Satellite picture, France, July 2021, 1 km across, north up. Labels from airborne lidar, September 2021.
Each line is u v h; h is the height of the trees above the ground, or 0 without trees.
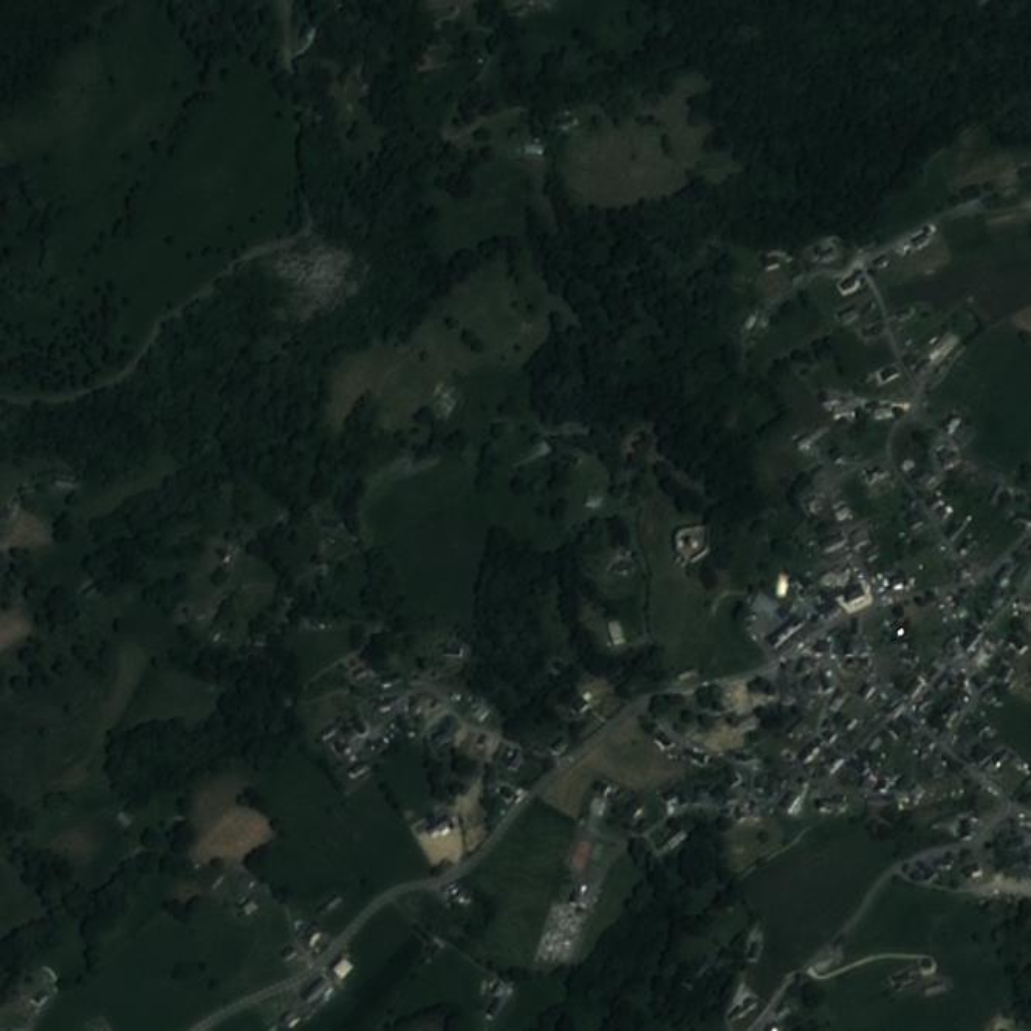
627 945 10
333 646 0
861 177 9
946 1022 0
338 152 25
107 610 0
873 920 0
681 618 0
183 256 0
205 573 0
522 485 18
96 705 0
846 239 19
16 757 0
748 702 0
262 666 14
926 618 0
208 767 10
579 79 8
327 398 21
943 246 0
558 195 13
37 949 20
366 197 16
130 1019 0
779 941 0
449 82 0
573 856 0
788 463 0
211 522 9
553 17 0
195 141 0
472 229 0
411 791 0
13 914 0
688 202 24
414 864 0
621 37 0
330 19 27
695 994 12
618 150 0
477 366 0
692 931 21
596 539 14
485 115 12
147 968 0
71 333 11
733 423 10
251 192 0
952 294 0
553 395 19
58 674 19
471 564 0
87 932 19
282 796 0
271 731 22
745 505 26
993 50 19
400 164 24
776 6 17
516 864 0
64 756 0
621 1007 18
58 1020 0
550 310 0
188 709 0
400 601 7
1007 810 0
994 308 0
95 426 22
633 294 20
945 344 0
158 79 0
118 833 0
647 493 22
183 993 0
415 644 14
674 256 11
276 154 0
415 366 0
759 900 0
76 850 0
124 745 14
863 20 16
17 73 10
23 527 0
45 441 25
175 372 23
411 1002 0
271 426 21
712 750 0
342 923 0
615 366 23
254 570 0
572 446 11
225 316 14
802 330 0
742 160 14
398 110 23
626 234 18
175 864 16
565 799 0
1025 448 0
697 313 16
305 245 10
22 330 10
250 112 0
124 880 18
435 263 13
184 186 0
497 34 8
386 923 0
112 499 0
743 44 7
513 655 20
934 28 25
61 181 0
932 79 24
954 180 0
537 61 0
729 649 0
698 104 20
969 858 8
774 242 12
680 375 8
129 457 14
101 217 0
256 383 22
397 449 9
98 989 0
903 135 22
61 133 0
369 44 21
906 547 9
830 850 0
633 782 0
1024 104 23
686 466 21
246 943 0
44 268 12
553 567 24
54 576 0
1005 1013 8
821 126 18
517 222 0
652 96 14
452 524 0
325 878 0
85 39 8
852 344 0
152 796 13
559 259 20
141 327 0
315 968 0
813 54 18
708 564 11
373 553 12
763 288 0
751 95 18
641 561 17
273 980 0
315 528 0
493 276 0
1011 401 0
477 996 0
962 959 0
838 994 0
